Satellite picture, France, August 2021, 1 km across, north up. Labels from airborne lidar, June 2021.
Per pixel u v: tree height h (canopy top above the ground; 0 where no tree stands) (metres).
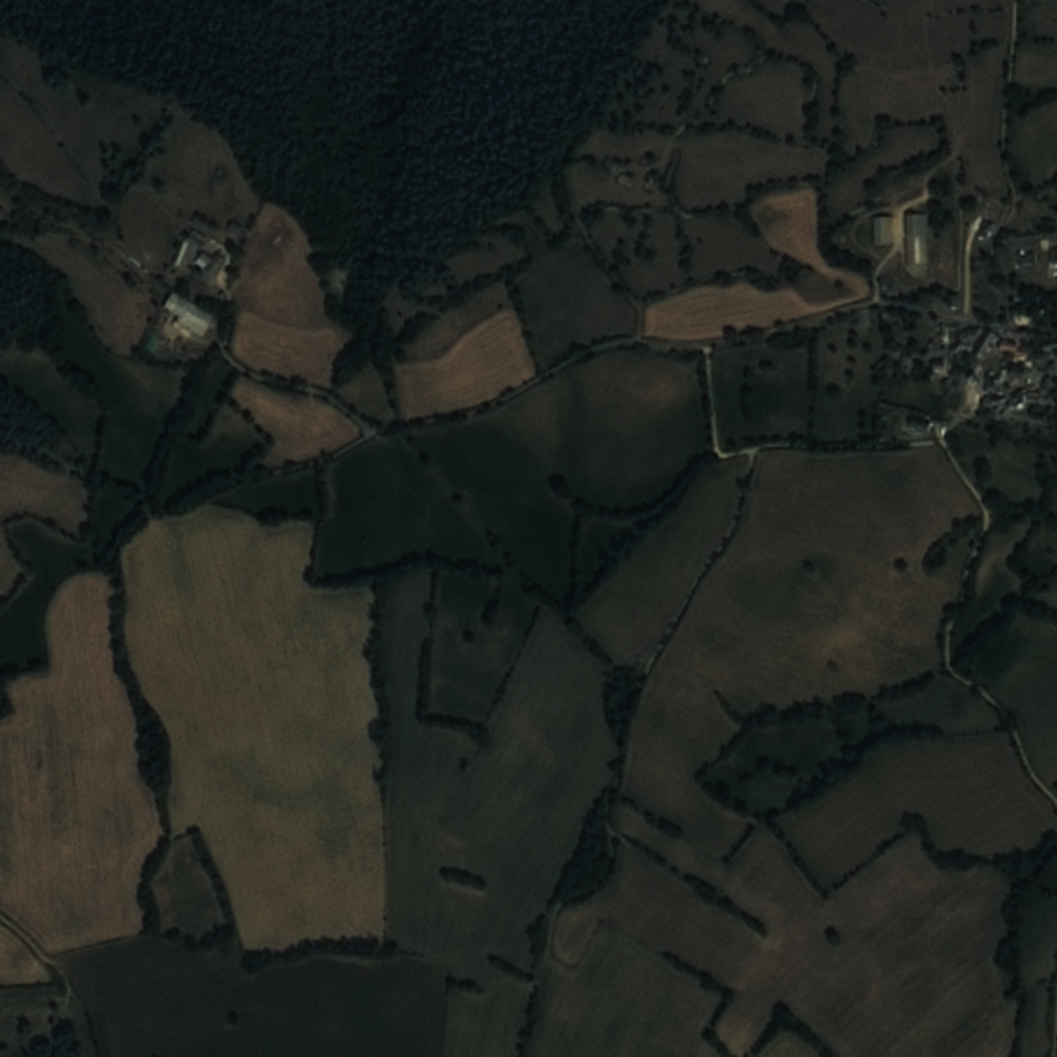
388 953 10
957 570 0
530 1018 8
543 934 8
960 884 0
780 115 0
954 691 0
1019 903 12
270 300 0
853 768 14
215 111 18
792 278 8
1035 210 0
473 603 0
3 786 0
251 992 0
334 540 0
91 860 0
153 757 15
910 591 0
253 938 0
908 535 0
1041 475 10
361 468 0
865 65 0
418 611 0
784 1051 0
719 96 11
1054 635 0
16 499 0
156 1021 0
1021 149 0
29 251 8
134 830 0
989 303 0
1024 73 0
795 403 0
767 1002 0
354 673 0
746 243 0
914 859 0
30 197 13
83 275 0
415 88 28
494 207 17
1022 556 15
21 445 9
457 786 0
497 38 13
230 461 0
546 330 0
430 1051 0
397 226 20
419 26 27
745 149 0
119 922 0
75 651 0
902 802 0
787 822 0
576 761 0
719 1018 9
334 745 0
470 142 7
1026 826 0
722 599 0
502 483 0
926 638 0
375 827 0
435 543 0
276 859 0
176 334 0
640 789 0
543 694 0
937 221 10
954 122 0
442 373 0
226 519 0
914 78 0
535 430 0
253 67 14
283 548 0
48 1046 13
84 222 18
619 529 0
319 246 12
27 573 8
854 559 0
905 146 0
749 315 0
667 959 8
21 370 0
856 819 0
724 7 0
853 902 0
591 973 0
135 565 0
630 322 0
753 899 0
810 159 0
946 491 0
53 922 0
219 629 0
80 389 18
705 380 13
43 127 0
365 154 19
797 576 0
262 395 0
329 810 0
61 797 0
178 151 0
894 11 0
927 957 0
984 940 0
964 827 0
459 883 8
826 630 0
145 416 0
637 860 0
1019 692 0
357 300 21
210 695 0
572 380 0
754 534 0
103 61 23
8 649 0
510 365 0
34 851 0
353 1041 0
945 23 0
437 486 0
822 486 0
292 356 0
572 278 0
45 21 21
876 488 0
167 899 0
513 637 0
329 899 0
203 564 0
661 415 0
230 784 0
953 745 0
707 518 0
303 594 0
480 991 7
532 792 0
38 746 0
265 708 0
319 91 17
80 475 8
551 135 22
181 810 0
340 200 14
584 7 19
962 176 7
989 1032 0
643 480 0
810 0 9
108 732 0
